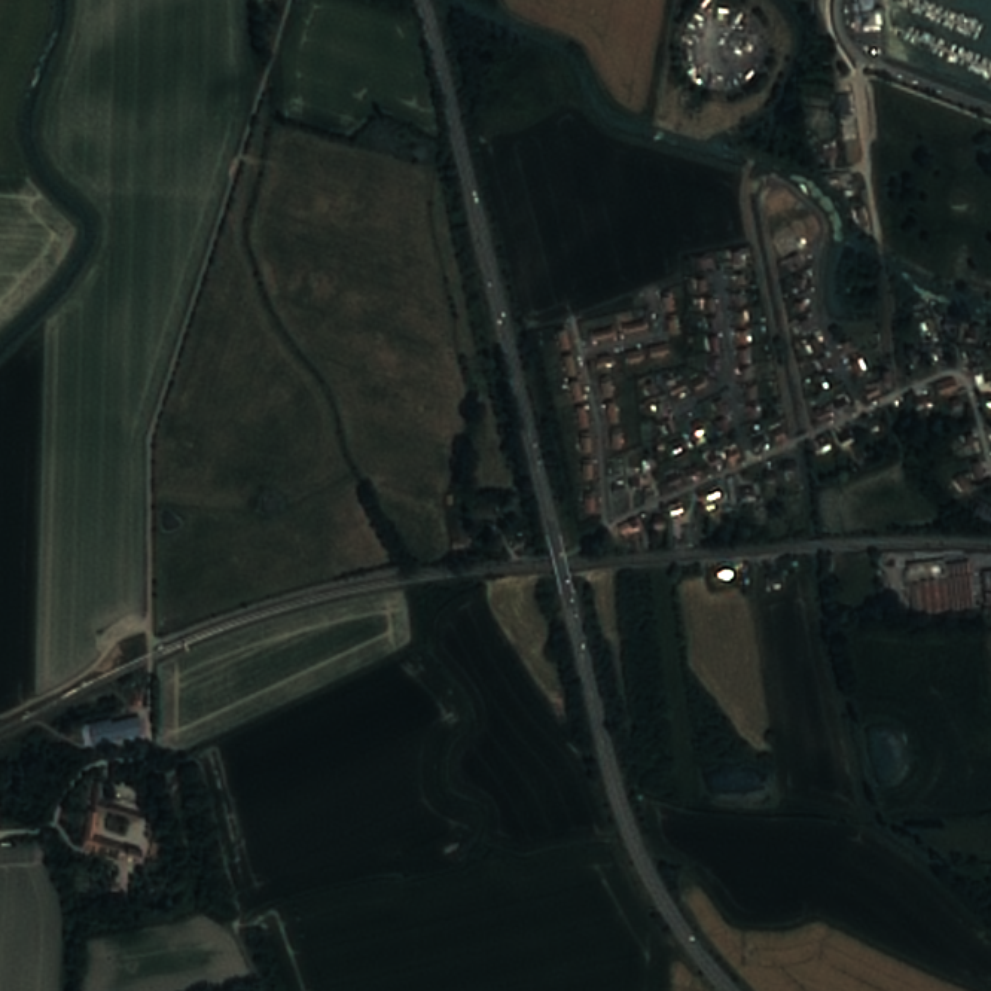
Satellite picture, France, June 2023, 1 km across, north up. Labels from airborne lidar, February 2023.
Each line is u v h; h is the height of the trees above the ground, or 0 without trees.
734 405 0
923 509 0
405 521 0
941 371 0
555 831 0
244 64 0
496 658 0
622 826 0
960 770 0
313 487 0
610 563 0
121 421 0
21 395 0
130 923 8
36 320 0
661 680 6
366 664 0
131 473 0
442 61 0
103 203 0
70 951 10
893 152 0
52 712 0
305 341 0
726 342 0
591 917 0
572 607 0
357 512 0
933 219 0
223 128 0
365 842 0
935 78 0
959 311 15
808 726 0
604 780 0
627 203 0
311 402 0
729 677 0
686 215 0
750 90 9
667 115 0
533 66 0
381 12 0
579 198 0
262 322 0
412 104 0
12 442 0
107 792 11
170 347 0
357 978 0
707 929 0
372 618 0
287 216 0
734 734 6
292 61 0
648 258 0
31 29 0
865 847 0
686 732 0
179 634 0
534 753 0
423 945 0
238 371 0
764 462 0
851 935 0
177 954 0
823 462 0
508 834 0
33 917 0
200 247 0
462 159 0
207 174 0
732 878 0
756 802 0
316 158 0
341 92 0
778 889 0
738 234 0
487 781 0
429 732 0
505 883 0
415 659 0
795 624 0
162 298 0
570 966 0
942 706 0
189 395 0
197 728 0
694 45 0
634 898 0
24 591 0
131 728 0
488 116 0
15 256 0
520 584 0
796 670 0
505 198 0
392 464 0
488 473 0
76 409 0
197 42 0
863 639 0
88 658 0
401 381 0
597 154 0
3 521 0
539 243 0
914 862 0
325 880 0
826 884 0
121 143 0
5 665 0
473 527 17
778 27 0
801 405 0
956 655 0
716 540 14
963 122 0
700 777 0
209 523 0
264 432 0
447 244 0
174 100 0
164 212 0
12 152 0
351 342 0
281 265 0
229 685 0
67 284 0
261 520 0
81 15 0
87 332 0
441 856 0
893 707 0
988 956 0
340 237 0
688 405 0
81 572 0
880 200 0
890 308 0
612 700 13
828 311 0
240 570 0
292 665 0
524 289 0
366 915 0
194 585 0
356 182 0
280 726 0
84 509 0
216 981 0
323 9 0
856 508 0
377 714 0
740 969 0
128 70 0
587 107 0
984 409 6
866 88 0
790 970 0
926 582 0
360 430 0
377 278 0
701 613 0
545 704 0
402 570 24
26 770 19
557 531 0
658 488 0
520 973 0
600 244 0
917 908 0
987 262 0
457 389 0
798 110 20
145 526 0
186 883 11
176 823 11
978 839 0
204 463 0
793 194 0
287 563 0
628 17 0
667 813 0
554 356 0
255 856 0
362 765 0
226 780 0
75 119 0
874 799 19
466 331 0
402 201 0
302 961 0
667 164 0
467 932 0
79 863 10
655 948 0
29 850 0
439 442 0
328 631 0
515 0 0
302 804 0
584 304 0
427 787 0
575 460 0
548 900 0
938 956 0
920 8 0
